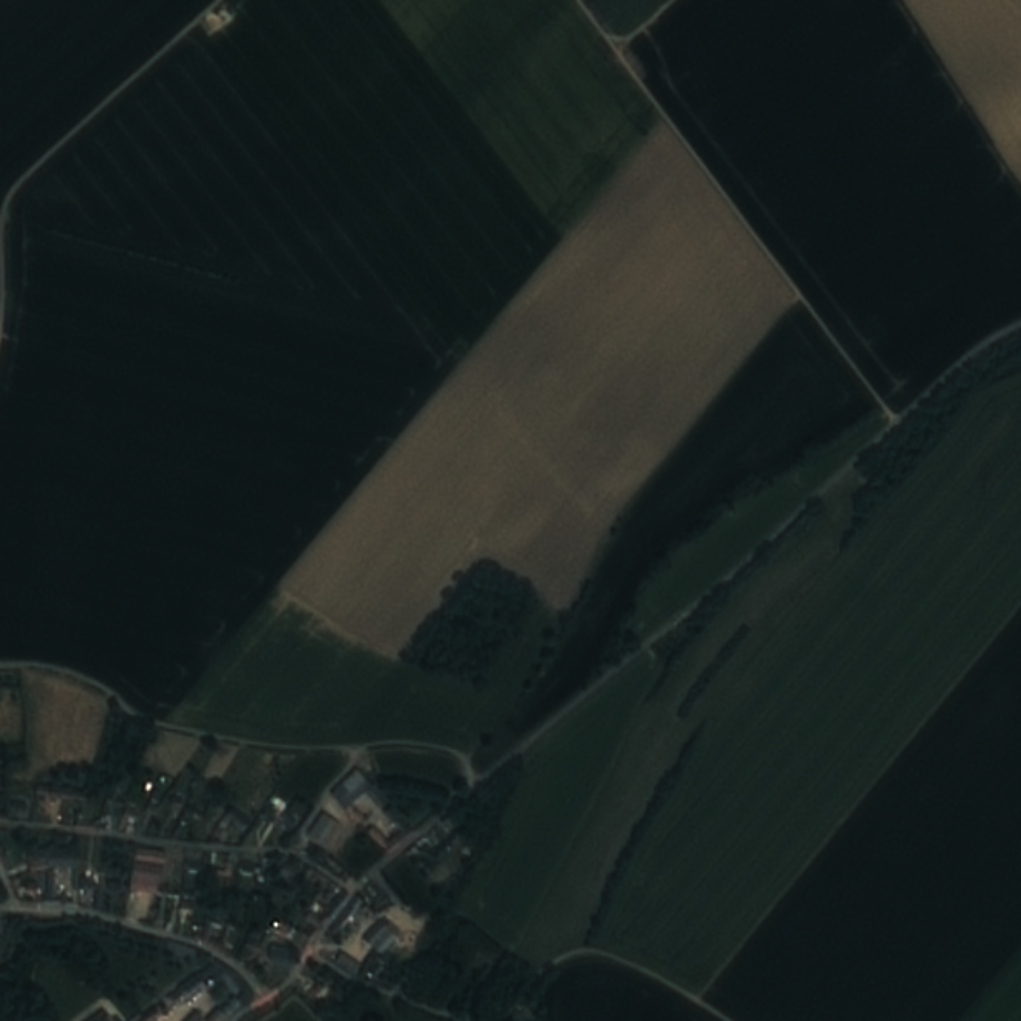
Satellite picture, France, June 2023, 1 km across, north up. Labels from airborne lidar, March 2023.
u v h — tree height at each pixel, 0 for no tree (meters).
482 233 0
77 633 0
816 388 0
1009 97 0
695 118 0
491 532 0
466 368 0
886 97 0
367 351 0
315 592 0
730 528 0
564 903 0
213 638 0
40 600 0
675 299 0
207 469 0
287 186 0
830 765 0
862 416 7
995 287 0
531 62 0
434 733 0
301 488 0
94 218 0
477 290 0
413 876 0
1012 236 0
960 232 0
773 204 0
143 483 0
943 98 0
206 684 0
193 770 9
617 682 0
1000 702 0
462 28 0
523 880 0
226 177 0
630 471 0
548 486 0
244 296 0
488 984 15
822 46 0
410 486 0
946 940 0
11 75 0
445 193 0
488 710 0
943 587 0
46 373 0
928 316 0
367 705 0
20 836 11
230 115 0
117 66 0
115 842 10
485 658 15
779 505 0
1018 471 0
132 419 0
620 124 0
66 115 0
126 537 0
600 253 0
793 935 0
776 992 0
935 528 0
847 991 0
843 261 0
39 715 0
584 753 0
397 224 0
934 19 0
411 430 0
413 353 0
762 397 0
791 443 0
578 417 0
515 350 0
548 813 0
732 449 0
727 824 0
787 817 0
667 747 0
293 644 0
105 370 0
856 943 0
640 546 0
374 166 0
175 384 0
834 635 0
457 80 0
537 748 0
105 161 0
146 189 0
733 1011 0
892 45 0
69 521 0
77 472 0
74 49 0
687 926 0
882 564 0
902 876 0
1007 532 0
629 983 0
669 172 0
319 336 0
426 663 14
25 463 0
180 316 0
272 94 0
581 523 0
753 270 0
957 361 0
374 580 0
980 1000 0
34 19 0
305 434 0
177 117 0
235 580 0
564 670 0
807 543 0
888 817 0
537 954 0
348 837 0
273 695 0
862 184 0
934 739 0
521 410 0
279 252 0
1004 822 0
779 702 0
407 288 0
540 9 0
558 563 0
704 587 0
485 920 0
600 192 0
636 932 0
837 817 0
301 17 0
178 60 0
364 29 0
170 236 0
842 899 0
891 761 0
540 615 0
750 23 0
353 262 0
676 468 0
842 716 0
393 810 7
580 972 0
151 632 0
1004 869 0
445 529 0
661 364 0
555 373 0
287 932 0
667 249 0
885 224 0
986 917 0
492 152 0
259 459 0
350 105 0
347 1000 11
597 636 0
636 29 0
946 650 0
